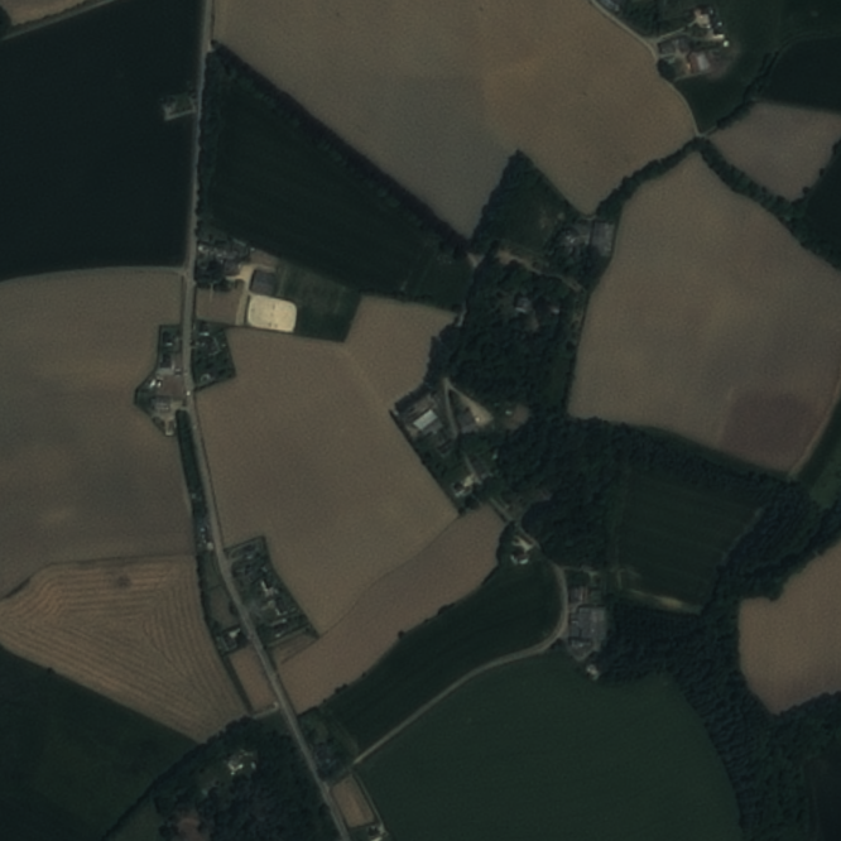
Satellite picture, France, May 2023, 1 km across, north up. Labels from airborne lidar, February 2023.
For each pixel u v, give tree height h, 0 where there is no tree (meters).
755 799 20
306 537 0
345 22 0
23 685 0
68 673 0
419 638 0
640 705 0
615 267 0
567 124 0
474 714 0
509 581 0
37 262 0
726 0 0
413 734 0
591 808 0
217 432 0
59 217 0
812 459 0
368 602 0
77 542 0
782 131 0
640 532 0
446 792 0
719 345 0
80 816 0
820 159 0
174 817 9
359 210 0
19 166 0
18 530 0
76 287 0
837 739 21
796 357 0
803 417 0
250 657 0
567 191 0
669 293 0
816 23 0
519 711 0
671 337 0
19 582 0
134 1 0
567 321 14
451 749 0
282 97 15
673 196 0
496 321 10
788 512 29
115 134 0
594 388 0
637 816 0
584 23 0
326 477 0
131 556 0
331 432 0
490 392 28
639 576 0
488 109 0
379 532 0
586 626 0
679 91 0
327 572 0
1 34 15
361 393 0
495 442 8
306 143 0
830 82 0
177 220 0
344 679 0
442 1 0
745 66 0
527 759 0
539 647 0
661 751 0
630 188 14
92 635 0
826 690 0
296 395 0
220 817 20
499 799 0
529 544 0
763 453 0
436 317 0
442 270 0
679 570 0
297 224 0
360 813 0
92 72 0
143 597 0
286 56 0
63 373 0
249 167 0
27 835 0
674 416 0
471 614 0
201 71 0
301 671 0
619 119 0
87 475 0
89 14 0
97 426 0
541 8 0
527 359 24
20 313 0
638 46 0
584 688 0
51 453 0
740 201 0
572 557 26
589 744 0
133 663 0
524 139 0
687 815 0
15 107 0
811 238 16
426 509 0
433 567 0
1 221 0
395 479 0
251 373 0
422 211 18
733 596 16
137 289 0
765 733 7
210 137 20
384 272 0
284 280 0
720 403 0
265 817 24
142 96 0
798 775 7
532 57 0
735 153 0
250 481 0
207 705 0
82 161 0
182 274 0
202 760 19
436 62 0
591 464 23
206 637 0
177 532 0
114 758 0
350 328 0
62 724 0
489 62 0
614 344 0
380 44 0
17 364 0
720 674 12
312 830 14
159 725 0
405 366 0
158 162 0
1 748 0
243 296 0
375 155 0
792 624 0
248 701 0
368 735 0
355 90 0
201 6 0
